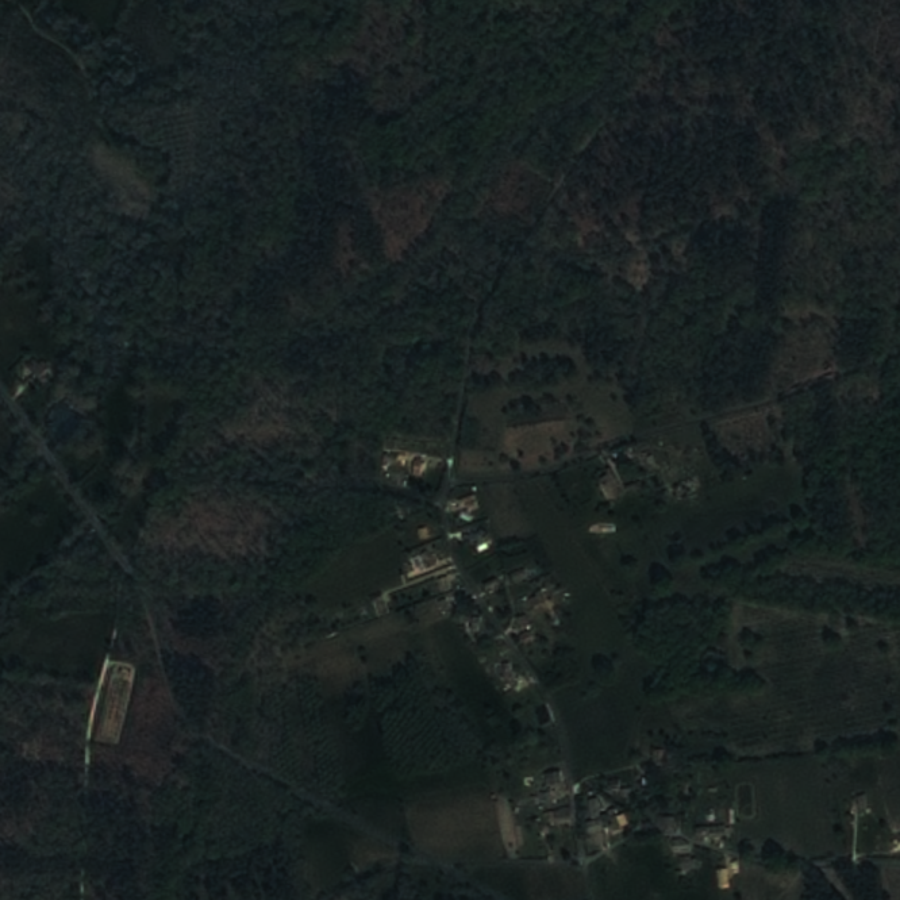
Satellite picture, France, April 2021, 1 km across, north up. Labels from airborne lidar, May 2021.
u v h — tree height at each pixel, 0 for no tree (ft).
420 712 75
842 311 62
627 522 0
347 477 43
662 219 64
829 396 54
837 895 53
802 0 36
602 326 63
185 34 89
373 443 60
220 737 34
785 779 0
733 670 40
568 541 0
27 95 47
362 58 36
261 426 43
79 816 65
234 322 62
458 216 43
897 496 49
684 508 0
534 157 63
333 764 49
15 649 0
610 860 0
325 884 0
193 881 50
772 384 25
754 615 0
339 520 49
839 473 55
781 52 71
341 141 49
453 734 44
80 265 59
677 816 19
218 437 48
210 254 78
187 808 46
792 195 42
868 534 45
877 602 25
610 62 59
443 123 46
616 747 0
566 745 0
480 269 48
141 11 22
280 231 61
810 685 0
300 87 63
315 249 64
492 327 45
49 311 27
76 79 41
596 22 49
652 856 0
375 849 0
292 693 25
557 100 52
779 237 52
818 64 35
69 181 61
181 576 65
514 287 44
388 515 45
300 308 43
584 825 21
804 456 64
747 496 0
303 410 31
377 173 61
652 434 0
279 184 59
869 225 39
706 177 77
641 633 43
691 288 75
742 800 0
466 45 52
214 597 41
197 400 89
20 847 57
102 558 77
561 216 56
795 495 0
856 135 50
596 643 0
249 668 38
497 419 0
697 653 53
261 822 57
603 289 53
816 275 46
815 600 33
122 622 45
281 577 61
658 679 30
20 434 31
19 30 38
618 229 53
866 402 36
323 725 55
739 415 0
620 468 51
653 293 41
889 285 54
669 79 32
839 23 42
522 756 31
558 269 77
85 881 36
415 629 0
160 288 86
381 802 0
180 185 100
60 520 0
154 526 71
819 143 37
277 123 55
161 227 47
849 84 36
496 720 34
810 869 34
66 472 0
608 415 0
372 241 89
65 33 23
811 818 0
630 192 77
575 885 0
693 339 57
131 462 122
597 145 37
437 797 0
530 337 53
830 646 48
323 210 74
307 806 34
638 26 67
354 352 81
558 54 68
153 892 62
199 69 90
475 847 0
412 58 28
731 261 79
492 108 61
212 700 80
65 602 25
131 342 75
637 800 45
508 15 33
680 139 75
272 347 83
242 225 78
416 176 91
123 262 76
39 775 50
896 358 46
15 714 40
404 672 47
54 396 48
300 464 49
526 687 0
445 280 57
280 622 26
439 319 46
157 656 34
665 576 71
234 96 73
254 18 19
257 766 44
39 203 58
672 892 0
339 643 0
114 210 60
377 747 0
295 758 64
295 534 73
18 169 63
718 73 62
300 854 41
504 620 30
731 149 69
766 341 56
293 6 94
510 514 0
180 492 69
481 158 54
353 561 0
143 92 51
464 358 40
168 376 91
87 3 0
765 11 76
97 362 63
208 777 59
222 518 25
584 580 0
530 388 50
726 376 68
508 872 0
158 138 71
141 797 33
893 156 54
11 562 0
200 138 100
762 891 0
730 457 0
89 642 0
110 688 0
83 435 82
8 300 0
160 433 0
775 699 0
